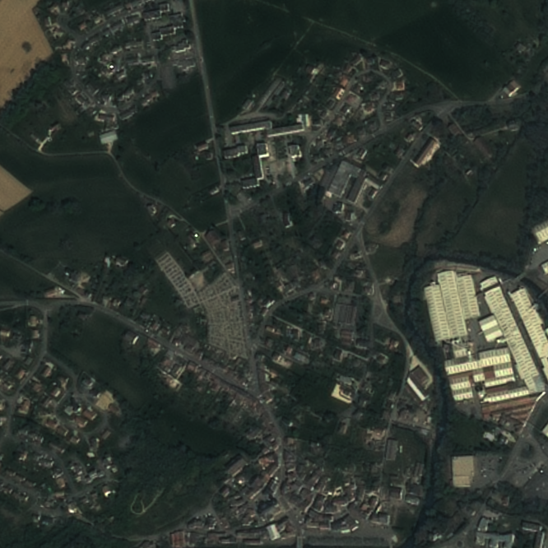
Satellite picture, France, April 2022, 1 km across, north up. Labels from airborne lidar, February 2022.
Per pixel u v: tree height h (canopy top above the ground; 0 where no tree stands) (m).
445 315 0
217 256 0
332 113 0
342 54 0
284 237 6
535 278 13
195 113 0
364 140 0
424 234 0
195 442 0
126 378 0
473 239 0
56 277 0
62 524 0
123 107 0
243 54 0
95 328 0
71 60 0
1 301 0
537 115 21
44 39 0
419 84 0
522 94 0
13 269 0
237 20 0
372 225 0
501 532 0
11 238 0
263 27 0
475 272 0
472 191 0
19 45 0
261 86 0
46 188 0
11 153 0
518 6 0
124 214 0
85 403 0
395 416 0
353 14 0
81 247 0
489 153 0
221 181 0
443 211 0
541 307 12
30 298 14
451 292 0
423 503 14
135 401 0
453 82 0
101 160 0
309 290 0
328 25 0
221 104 0
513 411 0
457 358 0
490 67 0
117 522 8
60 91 0
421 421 0
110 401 0
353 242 0
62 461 0
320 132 0
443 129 26
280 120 0
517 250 0
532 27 0
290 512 0
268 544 0
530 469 0
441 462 7
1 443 0
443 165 26
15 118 26
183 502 0
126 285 7
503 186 0
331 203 0
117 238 0
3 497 0
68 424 0
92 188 0
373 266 0
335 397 0
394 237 0
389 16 0
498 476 0
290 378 6
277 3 0
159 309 0
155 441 8
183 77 13
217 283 0
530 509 20
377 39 0
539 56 0
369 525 0
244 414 0
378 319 0
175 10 0
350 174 0
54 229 0
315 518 0
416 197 0
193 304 0
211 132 0
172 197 0
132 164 0
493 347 0
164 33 0
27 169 0
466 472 0
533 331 0
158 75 0
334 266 0
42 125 0
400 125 0
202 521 0
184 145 0
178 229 0
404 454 0
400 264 0
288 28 0
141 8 0
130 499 11
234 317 0
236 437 7
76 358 0
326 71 0
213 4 0
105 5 0
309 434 0
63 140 6
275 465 0
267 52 0
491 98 0
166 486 9
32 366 0
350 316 0
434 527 19
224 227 0
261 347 0
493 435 0
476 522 0
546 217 16
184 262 0
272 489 0
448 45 0
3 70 0
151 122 0
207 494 12
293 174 0
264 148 0
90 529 13
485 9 0
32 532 7
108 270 0
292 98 7
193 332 0
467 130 9
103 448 0
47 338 0
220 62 0
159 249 0
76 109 0
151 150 0
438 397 18
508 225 0
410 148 5
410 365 0
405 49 0
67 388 0
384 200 0
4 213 0
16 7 0
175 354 0
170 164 0
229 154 0
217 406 6
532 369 0
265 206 12
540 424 0
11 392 0
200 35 0
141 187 0
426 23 0
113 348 0
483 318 0
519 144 0
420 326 21
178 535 0
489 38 15
